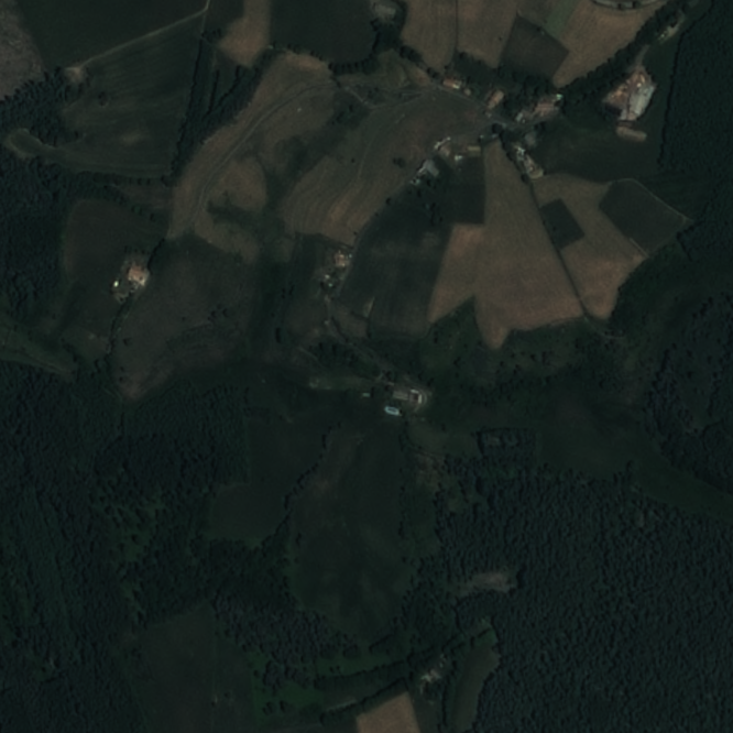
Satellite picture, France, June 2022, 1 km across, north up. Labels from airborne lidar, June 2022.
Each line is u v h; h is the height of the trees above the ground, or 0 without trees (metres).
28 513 24
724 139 14
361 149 0
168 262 0
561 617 25
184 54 0
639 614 23
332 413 0
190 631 0
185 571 7
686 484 0
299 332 0
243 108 14
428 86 0
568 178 0
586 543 23
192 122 15
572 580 25
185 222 0
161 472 27
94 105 0
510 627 24
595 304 0
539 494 21
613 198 0
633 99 0
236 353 0
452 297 0
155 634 0
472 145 0
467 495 16
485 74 0
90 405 12
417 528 0
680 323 0
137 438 13
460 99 0
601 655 23
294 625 11
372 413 0
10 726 23
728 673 23
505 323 0
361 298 0
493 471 15
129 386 0
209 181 0
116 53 0
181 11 0
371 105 0
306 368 0
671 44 0
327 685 18
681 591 21
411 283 0
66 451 24
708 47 19
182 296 0
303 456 0
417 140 0
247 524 0
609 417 0
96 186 20
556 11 0
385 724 0
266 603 15
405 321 0
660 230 0
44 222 22
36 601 6
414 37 0
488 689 14
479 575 18
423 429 0
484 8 0
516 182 0
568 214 0
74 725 22
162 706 0
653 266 7
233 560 10
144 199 0
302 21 0
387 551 0
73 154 0
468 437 0
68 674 27
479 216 0
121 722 26
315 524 0
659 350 0
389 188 0
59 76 15
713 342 0
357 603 0
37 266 26
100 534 33
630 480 17
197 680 0
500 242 0
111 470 16
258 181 0
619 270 0
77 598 22
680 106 17
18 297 13
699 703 16
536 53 0
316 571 0
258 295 0
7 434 25
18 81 0
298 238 0
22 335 0
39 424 26
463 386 9
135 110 0
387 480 0
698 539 25
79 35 0
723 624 22
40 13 0
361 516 0
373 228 0
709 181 0
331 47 0
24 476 10
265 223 0
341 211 0
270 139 0
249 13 0
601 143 0
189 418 14
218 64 0
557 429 0
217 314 12
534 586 30
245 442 16
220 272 0
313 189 0
